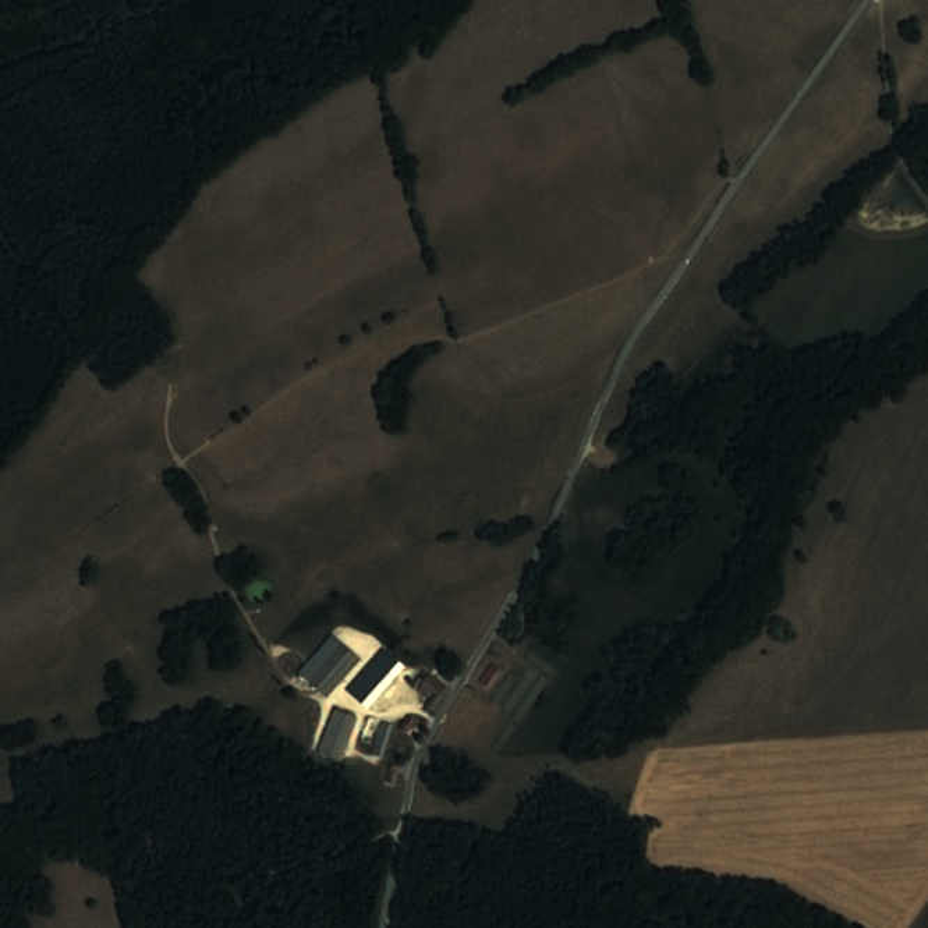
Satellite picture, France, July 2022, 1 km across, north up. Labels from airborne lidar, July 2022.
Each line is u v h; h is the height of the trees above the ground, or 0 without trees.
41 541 0
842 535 0
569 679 0
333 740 0
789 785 0
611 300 0
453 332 13
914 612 0
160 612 0
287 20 9
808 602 0
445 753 25
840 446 0
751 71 0
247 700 0
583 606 0
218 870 29
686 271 0
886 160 23
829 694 0
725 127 0
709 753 0
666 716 28
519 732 0
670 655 21
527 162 0
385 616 0
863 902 0
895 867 0
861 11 0
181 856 19
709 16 0
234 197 0
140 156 21
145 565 0
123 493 0
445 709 0
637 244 0
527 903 22
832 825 0
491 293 0
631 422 14
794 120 0
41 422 7
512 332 0
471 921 18
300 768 7
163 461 0
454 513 0
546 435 0
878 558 0
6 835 27
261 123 25
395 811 0
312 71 23
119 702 18
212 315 0
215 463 0
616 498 0
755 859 0
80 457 0
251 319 0
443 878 19
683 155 0
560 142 0
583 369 0
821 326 0
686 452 13
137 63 10
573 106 0
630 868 27
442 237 0
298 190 0
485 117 0
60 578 0
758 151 0
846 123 0
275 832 14
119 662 7
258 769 20
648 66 0
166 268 0
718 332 0
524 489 0
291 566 0
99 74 23
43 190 19
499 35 0
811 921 28
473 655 0
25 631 0
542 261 0
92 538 0
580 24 0
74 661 0
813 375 21
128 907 20
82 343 23
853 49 0
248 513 0
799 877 0
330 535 0
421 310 0
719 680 0
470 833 23
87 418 0
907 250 0
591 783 0
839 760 0
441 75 0
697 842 0
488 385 0
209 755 18
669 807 0
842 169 0
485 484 0
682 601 0
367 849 19
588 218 0
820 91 0
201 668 0
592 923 31
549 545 19
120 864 23
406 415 19
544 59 0
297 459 0
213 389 0
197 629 24
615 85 0
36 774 21
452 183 0
